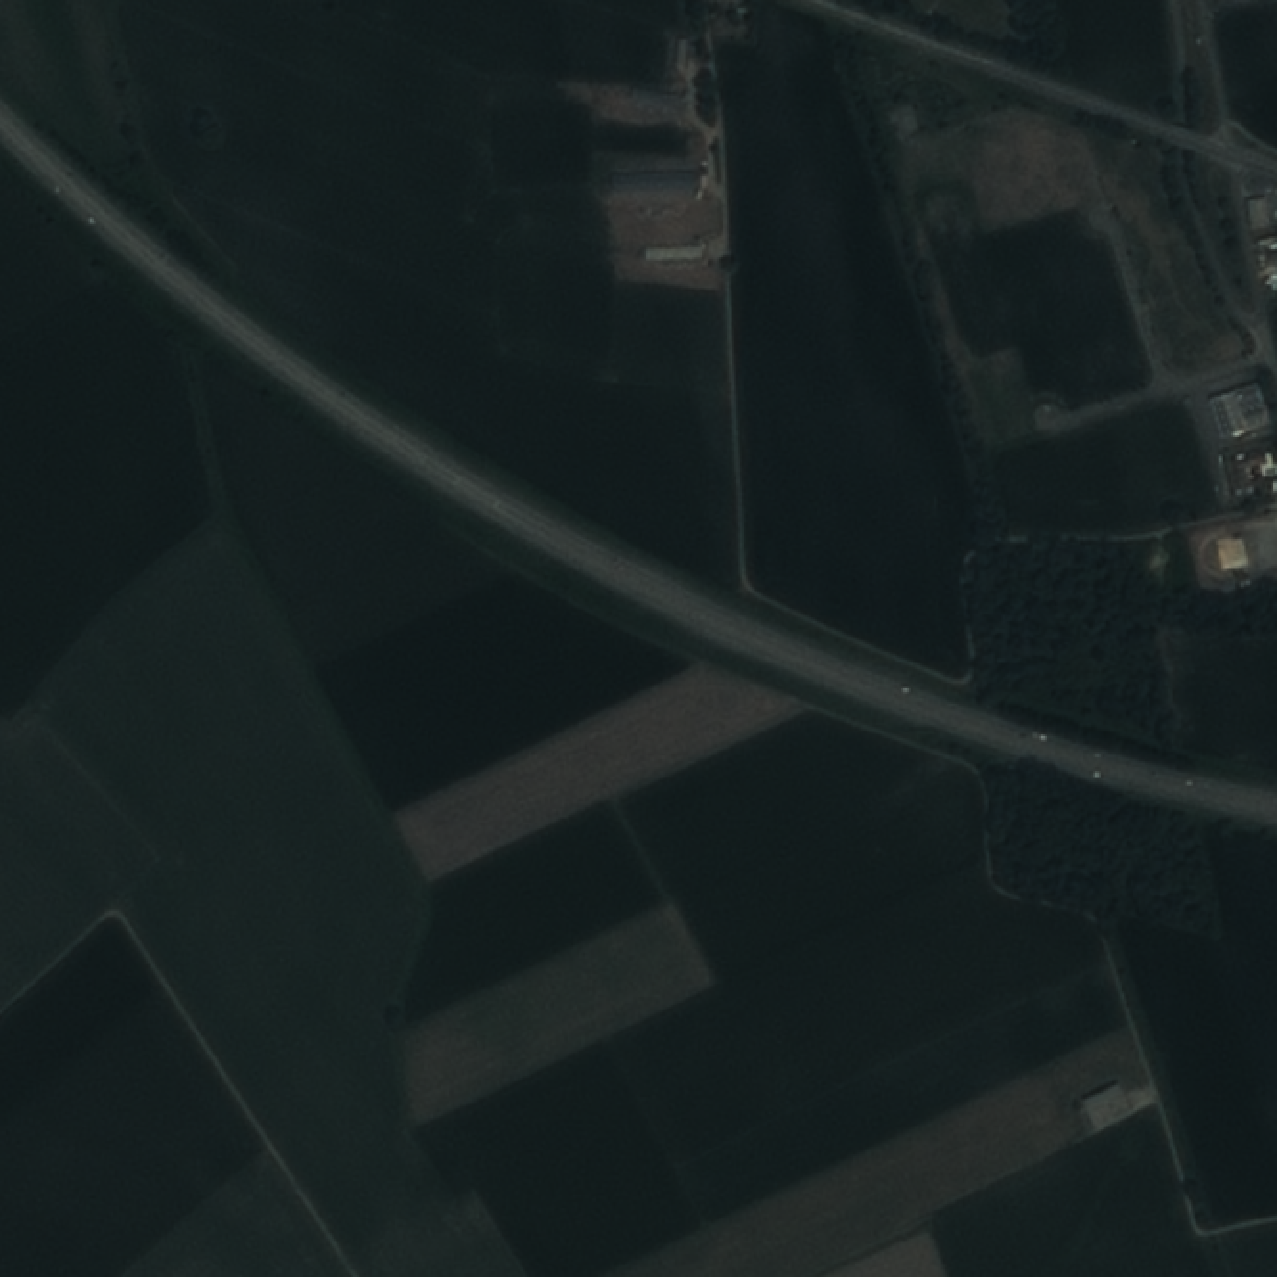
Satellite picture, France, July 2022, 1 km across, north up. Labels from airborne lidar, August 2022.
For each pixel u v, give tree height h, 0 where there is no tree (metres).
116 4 0
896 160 0
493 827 0
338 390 0
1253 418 0
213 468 0
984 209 0
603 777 0
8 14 0
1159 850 11
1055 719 8
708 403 0
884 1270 0
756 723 0
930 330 13
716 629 0
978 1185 0
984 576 20
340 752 0
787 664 0
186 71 0
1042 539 14
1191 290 0
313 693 0
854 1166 0
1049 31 23
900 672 0
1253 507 9
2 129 0
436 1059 0
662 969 0
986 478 10
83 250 0
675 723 0
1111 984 0
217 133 20
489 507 0
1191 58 0
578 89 0
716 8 7
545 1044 0
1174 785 0
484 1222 0
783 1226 0
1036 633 23
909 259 9
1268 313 0
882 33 0
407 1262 0
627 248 0
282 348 0
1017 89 0
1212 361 0
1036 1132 0
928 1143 0
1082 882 23
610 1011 0
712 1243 0
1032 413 0
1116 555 14
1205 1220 7
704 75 13
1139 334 0
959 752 6
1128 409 0
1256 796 0
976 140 0
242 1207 0
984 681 15
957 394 16
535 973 0
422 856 0
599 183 0
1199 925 16
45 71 0
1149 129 0
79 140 0
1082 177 0
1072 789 25
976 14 0
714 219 0
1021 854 6
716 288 0
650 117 0
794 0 0
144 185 0
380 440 0
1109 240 0
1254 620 19
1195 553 0
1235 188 0
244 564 0
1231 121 0
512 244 0
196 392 0
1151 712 17
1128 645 19
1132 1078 0
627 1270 0
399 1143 0
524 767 0
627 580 0
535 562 0
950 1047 0
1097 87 0
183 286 0
